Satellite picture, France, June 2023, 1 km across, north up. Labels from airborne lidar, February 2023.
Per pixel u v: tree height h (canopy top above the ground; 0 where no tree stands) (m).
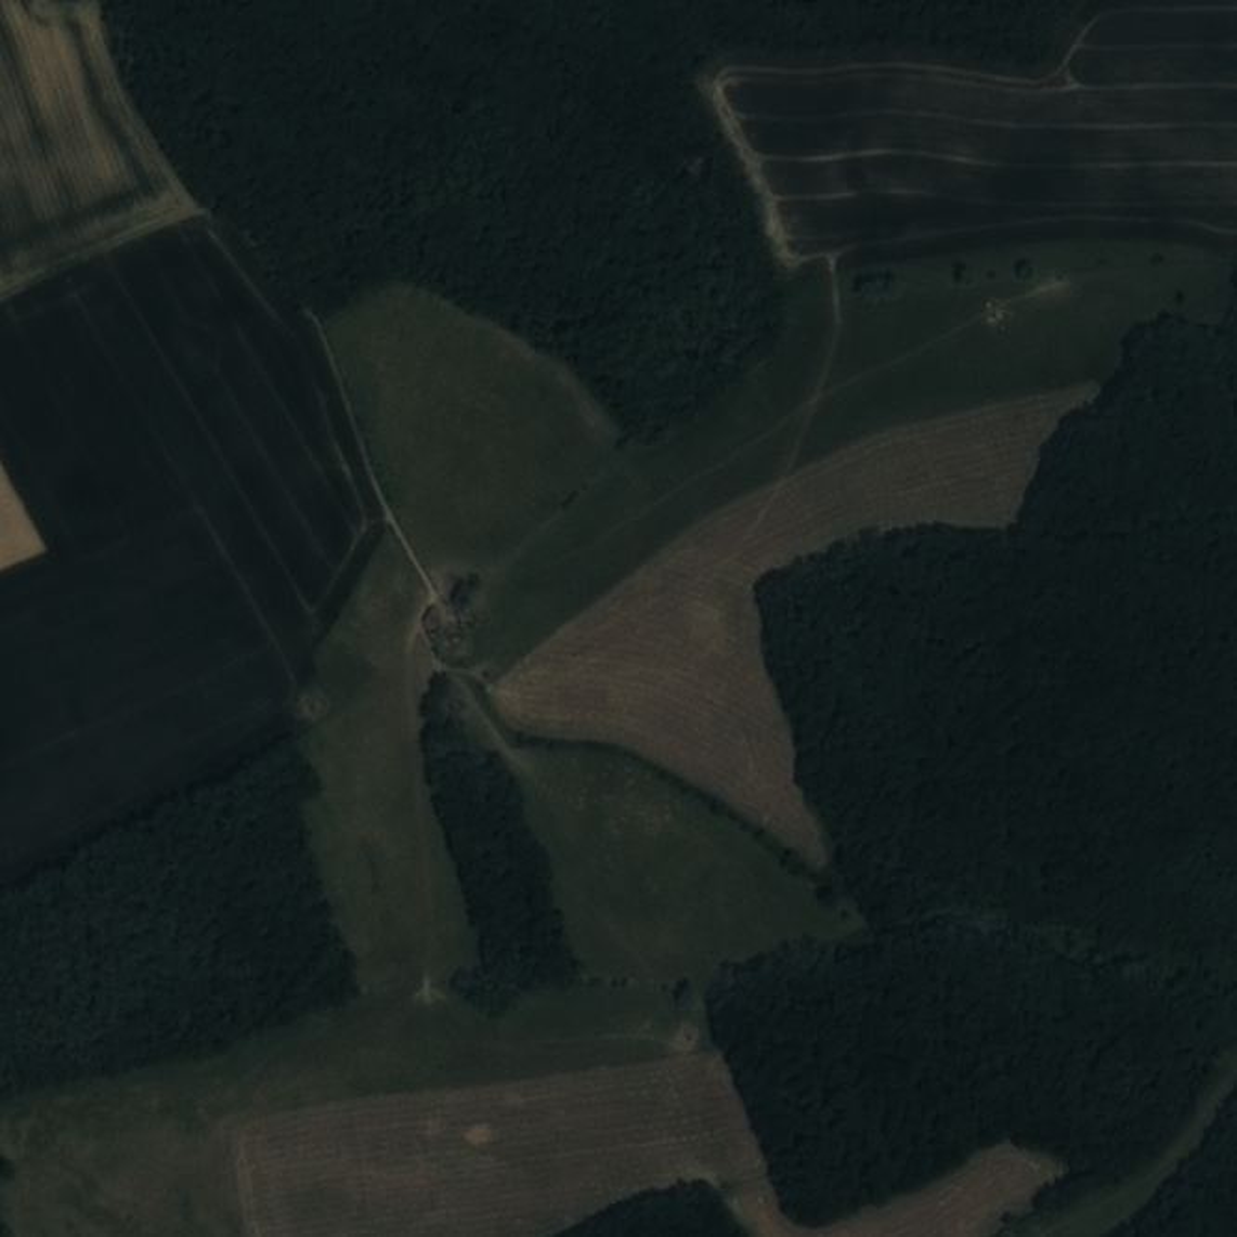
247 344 0
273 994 21
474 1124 0
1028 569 24
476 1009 21
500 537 0
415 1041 0
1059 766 26
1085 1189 20
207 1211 0
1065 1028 26
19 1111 0
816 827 0
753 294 27
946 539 21
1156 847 25
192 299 0
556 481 0
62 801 0
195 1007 25
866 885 27
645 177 27
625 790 0
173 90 21
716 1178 0
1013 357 0
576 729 0
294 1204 0
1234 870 19
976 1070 25
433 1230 0
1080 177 0
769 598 18
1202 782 25
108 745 0
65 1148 0
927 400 0
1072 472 25
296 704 0
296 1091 0
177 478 0
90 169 0
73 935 28
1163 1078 28
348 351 0
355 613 0
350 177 22
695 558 0
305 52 23
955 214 0
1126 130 0
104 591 0
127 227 0
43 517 0
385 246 18
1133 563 24
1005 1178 0
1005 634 26
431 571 0
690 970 0
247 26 22
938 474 0
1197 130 0
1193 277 0
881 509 0
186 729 0
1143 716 25
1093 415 15
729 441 0
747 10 23
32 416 0
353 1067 0
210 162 18
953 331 0
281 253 19
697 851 0
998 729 24
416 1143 0
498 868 17
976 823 21
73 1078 11
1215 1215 24
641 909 0
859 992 27
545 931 20
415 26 24
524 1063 0
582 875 0
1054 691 24
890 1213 0
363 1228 0
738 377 20
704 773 0
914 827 23
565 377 0
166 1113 0
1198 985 16
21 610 0
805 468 0
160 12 18
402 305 0
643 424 21
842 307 0
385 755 0
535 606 0
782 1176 22
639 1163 0
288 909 23
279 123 23
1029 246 0
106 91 0
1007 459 0
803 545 0
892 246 0
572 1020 0
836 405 0
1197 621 26
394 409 0
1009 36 24
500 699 0
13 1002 29
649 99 26
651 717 0
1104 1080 24
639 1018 0
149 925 26
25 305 0
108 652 0
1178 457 28
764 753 0
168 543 0
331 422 0
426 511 0
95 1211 0
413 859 0
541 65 21
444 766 17
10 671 0
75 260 0
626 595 0
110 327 0
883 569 24
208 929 25
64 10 0
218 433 0
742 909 0
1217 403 26
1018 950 20
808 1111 24
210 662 0
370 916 0
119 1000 25
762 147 0
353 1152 0
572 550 0
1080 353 0
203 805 26
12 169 0
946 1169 19
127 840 25
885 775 21
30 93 0
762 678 0
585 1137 0
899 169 0
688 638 0
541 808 0
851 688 23
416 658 0
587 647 0
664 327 35
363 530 0
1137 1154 26
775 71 0
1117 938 18
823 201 0
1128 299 0
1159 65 0
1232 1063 0
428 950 0
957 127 0
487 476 0
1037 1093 25
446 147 25
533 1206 0
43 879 23
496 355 0
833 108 0
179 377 0
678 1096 0
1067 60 0
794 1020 23
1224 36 0
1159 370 28
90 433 0
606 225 26
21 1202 0
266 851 21
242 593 0
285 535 0
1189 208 0
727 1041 24
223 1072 0
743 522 0
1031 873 21
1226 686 26
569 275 22
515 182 20
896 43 21
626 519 0
